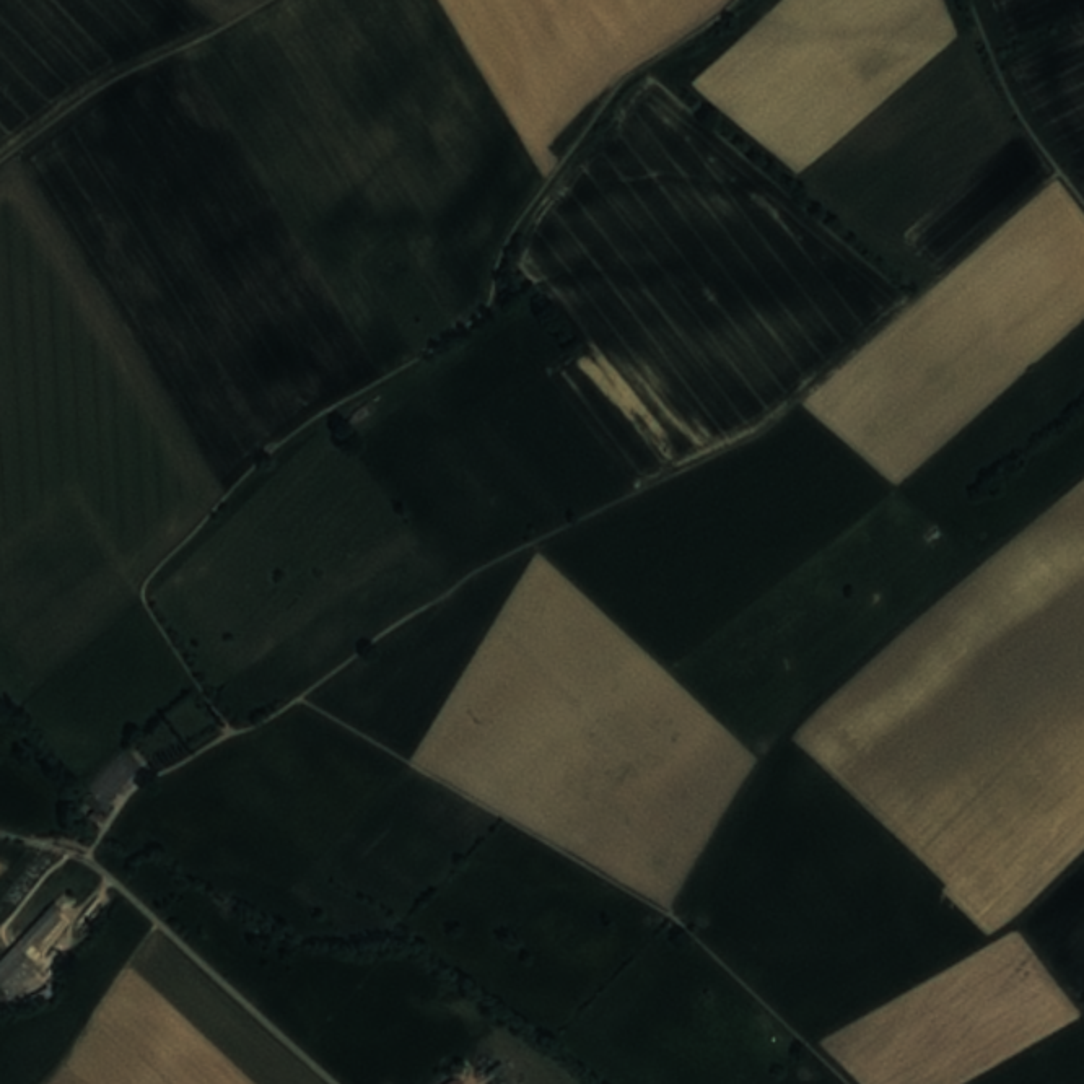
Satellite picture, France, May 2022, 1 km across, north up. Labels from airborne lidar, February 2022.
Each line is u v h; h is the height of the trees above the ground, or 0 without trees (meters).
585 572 0
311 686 0
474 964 0
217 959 0
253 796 0
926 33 0
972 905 0
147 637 0
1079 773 0
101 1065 0
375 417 0
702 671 0
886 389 0
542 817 0
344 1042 0
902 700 0
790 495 0
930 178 0
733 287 0
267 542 0
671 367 0
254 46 0
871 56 0
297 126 0
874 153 0
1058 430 11
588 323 0
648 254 0
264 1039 0
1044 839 0
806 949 0
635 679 0
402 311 0
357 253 0
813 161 0
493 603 0
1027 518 0
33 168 0
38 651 0
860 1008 0
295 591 0
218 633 0
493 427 0
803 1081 0
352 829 0
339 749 0
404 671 0
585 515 0
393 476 0
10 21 0
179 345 0
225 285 0
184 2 0
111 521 0
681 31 0
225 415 0
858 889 0
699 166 0
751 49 0
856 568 0
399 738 0
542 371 0
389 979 0
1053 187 0
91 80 0
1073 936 0
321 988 0
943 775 0
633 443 0
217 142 0
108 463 0
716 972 0
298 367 0
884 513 0
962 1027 0
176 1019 0
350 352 0
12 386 0
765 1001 0
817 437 0
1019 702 0
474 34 0
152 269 0
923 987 0
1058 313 0
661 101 0
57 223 0
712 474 0
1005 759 0
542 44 0
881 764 0
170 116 0
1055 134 0
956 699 0
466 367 0
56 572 0
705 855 0
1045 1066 0
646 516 0
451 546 0
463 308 0
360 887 0
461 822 0
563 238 0
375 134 0
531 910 0
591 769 0
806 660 0
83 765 0
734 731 0
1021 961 0
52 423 0
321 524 0
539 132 0
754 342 0
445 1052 0
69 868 0
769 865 0
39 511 0
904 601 0
